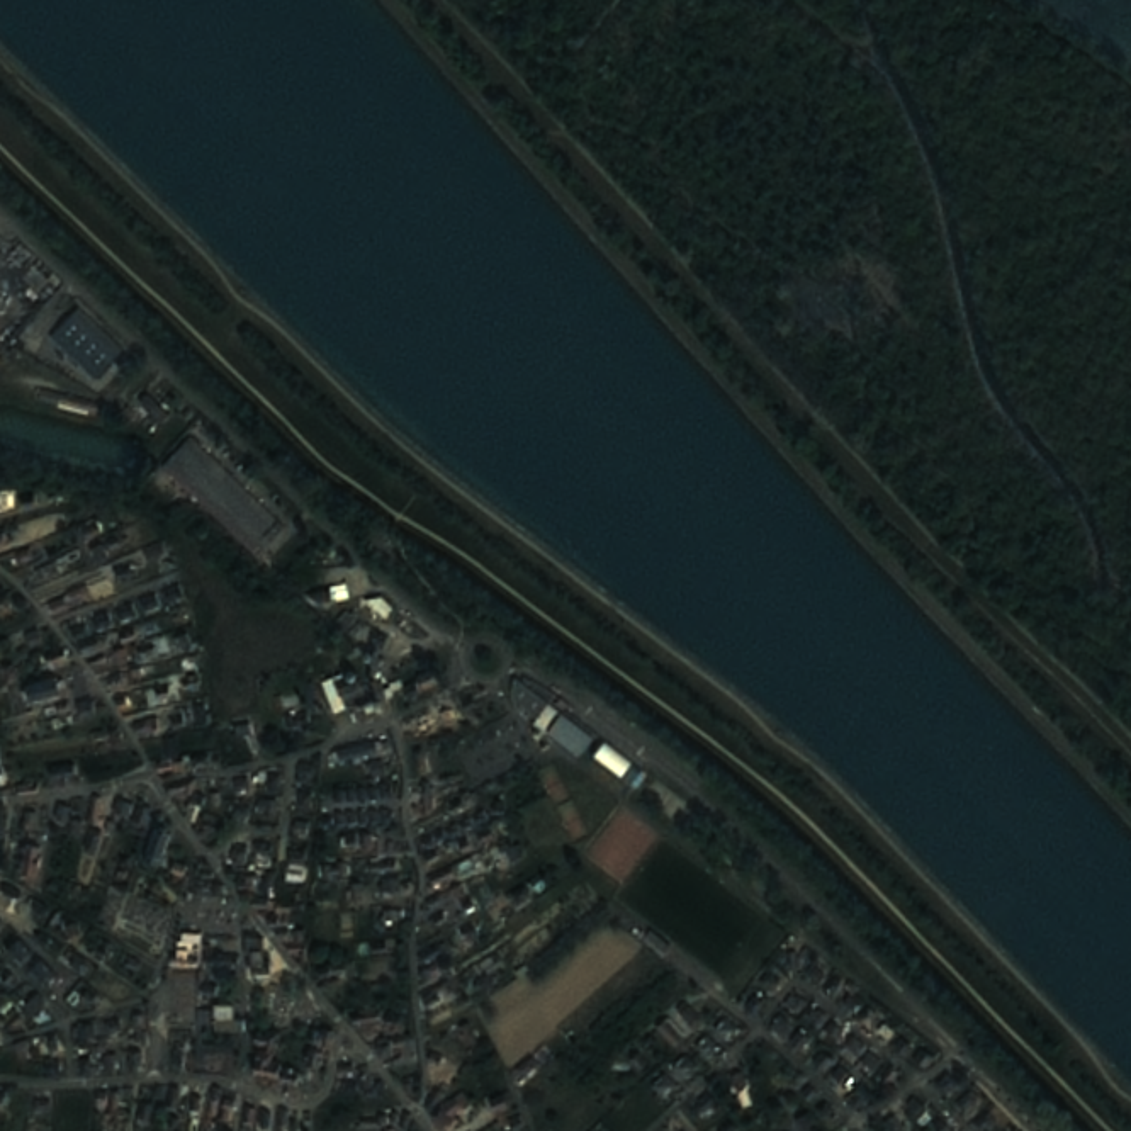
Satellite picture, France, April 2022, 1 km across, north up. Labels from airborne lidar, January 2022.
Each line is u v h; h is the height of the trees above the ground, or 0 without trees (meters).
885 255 12
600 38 13
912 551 7
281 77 0
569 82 18
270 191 0
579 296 0
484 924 0
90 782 0
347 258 0
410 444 0
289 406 0
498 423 0
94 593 0
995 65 11
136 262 0
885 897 0
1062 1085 0
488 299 0
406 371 0
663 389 0
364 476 0
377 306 0
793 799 0
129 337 0
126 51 0
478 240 0
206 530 12
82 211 0
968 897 0
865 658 0
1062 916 0
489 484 0
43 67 0
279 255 0
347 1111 11
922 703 0
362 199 0
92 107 0
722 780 17
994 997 0
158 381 0
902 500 8
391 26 0
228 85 0
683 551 0
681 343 0
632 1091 10
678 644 0
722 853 20
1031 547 16
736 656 0
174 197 0
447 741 14
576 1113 0
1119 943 0
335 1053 0
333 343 0
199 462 0
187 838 0
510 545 8
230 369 0
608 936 0
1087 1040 0
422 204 0
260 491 0
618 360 0
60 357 0
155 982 0
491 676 0
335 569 0
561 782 0
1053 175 11
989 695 0
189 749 0
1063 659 15
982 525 6
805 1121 0
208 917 0
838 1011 0
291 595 14
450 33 24
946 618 0
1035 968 0
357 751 0
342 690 0
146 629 0
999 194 8
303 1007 0
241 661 0
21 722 0
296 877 0
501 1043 0
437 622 0
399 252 0
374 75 0
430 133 0
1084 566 11
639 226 0
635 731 0
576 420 0
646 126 6
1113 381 14
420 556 11
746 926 0
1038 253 11
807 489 0
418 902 0
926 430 12
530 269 0
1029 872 0
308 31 0
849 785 0
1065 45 14
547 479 0
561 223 0
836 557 0
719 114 8
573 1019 0
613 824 0
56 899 0
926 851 0
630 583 0
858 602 0
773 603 0
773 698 0
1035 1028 13
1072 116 11
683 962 0
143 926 0
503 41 21
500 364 0
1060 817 0
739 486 0
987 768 0
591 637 0
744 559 0
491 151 0
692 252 22
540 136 18
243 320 0
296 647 0
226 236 0
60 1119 0
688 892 0
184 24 0
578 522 0
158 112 0
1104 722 0
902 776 0
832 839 0
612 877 0
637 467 0
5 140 0
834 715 0
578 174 19
